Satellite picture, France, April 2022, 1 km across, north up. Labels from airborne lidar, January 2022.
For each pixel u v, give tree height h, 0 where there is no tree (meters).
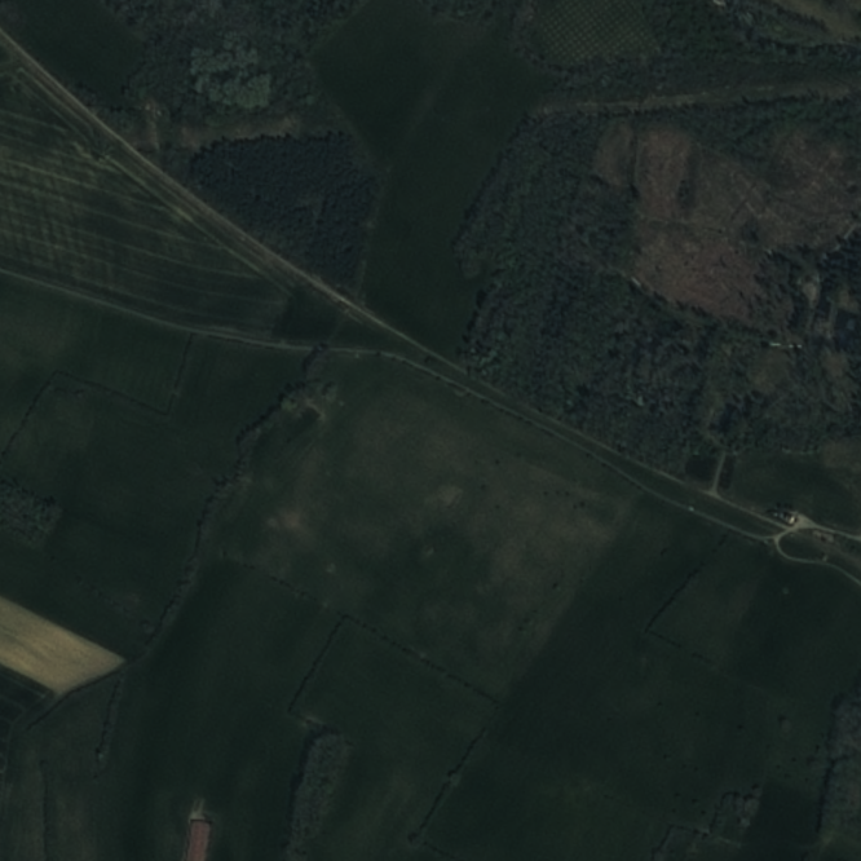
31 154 0
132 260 0
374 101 0
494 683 0
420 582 0
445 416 0
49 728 0
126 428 0
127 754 0
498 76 0
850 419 9
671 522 0
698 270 0
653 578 0
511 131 0
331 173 14
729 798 7
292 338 0
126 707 0
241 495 0
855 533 0
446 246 0
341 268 13
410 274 0
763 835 0
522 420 6
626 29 0
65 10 0
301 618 0
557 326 18
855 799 23
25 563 0
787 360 0
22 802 0
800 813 0
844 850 0
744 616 0
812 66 7
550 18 0
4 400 0
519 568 0
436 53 0
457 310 0
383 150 0
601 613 0
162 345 0
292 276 0
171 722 0
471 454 0
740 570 0
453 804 0
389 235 0
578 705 0
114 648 0
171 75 18
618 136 0
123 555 0
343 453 0
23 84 0
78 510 0
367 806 0
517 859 0
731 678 0
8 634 0
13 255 0
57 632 0
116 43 0
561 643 0
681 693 0
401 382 0
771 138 20
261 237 13
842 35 0
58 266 0
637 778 0
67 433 0
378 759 0
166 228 0
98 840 0
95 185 0
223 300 0
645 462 14
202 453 0
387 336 0
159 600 0
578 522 0
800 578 0
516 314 17
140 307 0
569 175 20
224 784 0
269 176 14
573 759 0
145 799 0
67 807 0
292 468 0
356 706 0
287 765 0
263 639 0
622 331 27
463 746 0
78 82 0
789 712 0
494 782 0
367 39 0
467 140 0
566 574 0
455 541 0
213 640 0
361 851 0
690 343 17
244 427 0
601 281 25
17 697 0
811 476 0
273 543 0
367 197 14
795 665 0
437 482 0
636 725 0
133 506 0
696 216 0
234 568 0
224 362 0
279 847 0
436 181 0
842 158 0
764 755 0
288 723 0
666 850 8
